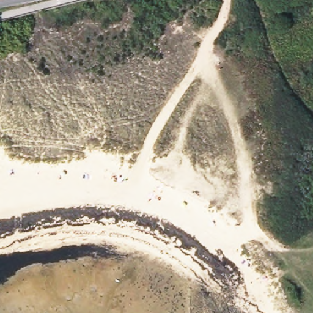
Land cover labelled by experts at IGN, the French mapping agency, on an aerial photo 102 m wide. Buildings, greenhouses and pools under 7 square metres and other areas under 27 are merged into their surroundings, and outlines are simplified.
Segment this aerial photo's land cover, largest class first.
<instances>
[{"label":"bare soil","instance_id":"1","mask_svg":"<svg viewBox=\"0 0 313 313\"><path fill-rule=\"evenodd\" d=\"M208 28L194 26L190 16L185 13L181 26L176 20L172 21L166 26L158 43H154L158 46L159 53L163 54V59L153 60L149 56L139 55L126 57V65L104 66V76L93 72L75 73L76 81L62 79L57 83V76L51 73L44 75L38 70L37 64H32L21 54L10 53L5 59H0V254L50 251L65 246H78L87 256L61 260L57 263L27 265L18 269L5 284L0 285V313H297L295 308L287 304L282 289L280 279L284 274L265 256V252L313 253V247L292 248L282 245L270 232L260 229L256 212L251 208L243 213L230 214L221 205L214 208L215 199L209 204L203 201L199 197V191L188 193L181 187L172 190L160 181H155L150 174L153 161L165 158L174 148L180 133V120L196 98L202 83L201 78L193 79L171 112L154 143L153 158L149 160L141 153L145 138L156 117L196 60L198 48ZM182 153L188 156L192 166L209 168L210 175L229 181V187L235 188L238 185V169L234 139L231 136L229 121L224 110L220 108L219 99L213 93L209 95L207 103L197 105L196 111L193 112Z\"/></svg>","mask_w":313,"mask_h":313},{"label":"herbaceous vegetation","instance_id":"2","mask_svg":"<svg viewBox=\"0 0 313 313\"><path fill-rule=\"evenodd\" d=\"M73 5L83 10L86 2L83 0H75L71 5L50 7L33 13L35 27L29 37V43L33 48L28 53L21 54L32 64H37L38 70L44 75L51 73L57 76V83L62 79L76 81L75 73L93 72L92 67L97 66L99 61L97 44L100 35L114 29L119 32L128 31L133 24L134 15L131 5L128 4L122 21L110 24L109 27L103 28L97 21L81 20L72 26H62L56 31V20H68V13L73 9ZM229 16L223 31L214 40L213 51L219 56V75L231 104L234 105L238 123L242 128V137L246 141V150L251 155V181H257L260 185V191H254L257 201L256 212L260 229L270 232L282 245L292 248L313 247V0H230ZM87 256L78 246H65L50 251L0 254V285L5 284L18 269L27 265L57 263L61 260ZM265 256L284 274L280 279L282 289L287 304L295 308L297 313H313V253L265 252Z\"/></svg>","mask_w":313,"mask_h":313},{"label":"pervious surface","instance_id":"3","mask_svg":"<svg viewBox=\"0 0 313 313\"><path fill-rule=\"evenodd\" d=\"M230 0H224L218 20L208 28L198 48L196 60L156 117L145 138L141 153L149 160L153 158L154 143L171 112L193 79L201 78L202 83L196 98L180 120V133L174 148L165 158L153 161L150 174L155 181H160L172 190L181 187L188 193L199 191V197L203 201L209 204L215 199L214 208L221 205L230 214L243 213L251 208L256 212L257 201L254 191H260V185L257 181H251V155L246 150V141L242 137V128L238 123L234 105L231 104L219 75V56L213 51L214 40L223 31L229 16ZM213 93L219 99L220 108L224 110L229 121L231 136L234 139L238 169V185L235 188L229 187V181L210 175L209 168L192 166L188 156L182 153L193 112L196 111L197 105L207 103L209 95Z\"/></svg>","mask_w":313,"mask_h":313},{"label":"brushwood","instance_id":"4","mask_svg":"<svg viewBox=\"0 0 313 313\"><path fill-rule=\"evenodd\" d=\"M86 2L83 10L73 5V9L68 13V20H56V31L62 26H72L81 20L97 21L103 28L109 27L110 24L122 21L128 4L131 5L134 15L133 24L128 31L119 32L114 29L100 35L97 44L99 61L97 66L92 67L93 72L104 76V66L126 65V57L139 55L149 56L153 60L163 59V54L159 53L158 46L154 43H158L166 26L172 21L176 20L181 26L185 13L190 16L194 26L208 28L218 20L224 0H83ZM35 27L33 13L1 18L0 13V59H5L10 53L21 54L28 53L33 48L29 43V37Z\"/></svg>","mask_w":313,"mask_h":313},{"label":"impervious surface","instance_id":"5","mask_svg":"<svg viewBox=\"0 0 313 313\"><path fill-rule=\"evenodd\" d=\"M75 0H0V13L1 18L33 13L50 7L71 5Z\"/></svg>","mask_w":313,"mask_h":313}]
</instances>
